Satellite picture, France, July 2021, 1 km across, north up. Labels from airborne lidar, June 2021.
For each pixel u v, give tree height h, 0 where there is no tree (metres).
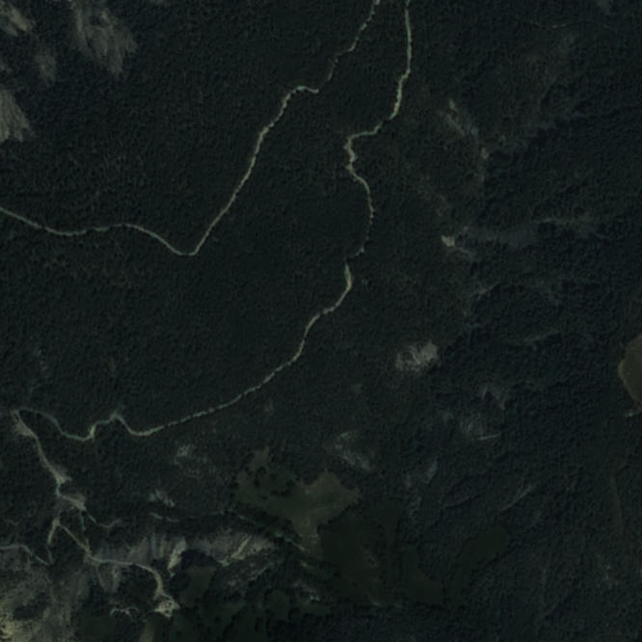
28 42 12
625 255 13
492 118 13
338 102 14
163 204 12
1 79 8
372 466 6
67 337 10
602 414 14
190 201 6
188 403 10
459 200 7
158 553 0
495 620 15
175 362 11
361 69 15
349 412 6
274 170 13
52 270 17
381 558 7
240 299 11
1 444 13
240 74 11
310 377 11
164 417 8
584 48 10
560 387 13
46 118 14
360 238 13
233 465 9
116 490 11
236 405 9
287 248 8
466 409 7
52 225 17
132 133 11
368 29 9
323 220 13
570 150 11
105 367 10
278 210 11
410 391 9
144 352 11
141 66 10
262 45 10
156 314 12
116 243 16
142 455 8
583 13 12
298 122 11
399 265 9
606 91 17
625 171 12
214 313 10
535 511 9
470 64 14
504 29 16
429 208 12
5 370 10
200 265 9
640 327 8
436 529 10
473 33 14
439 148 9
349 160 10
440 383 9
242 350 13
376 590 0
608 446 11
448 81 18
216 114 12
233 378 10
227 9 15
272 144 11
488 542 0
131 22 11
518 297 12
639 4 18
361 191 14
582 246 7
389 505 0
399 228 7
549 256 10
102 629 0
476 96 16
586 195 9
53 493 11
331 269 8
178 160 11
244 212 10
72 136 14
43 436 10
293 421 6
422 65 11
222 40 12
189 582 9
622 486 9
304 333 9
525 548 7
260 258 13
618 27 8
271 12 14
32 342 8
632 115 14
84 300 12
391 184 9
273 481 7
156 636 0
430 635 10
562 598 14
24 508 12
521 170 11
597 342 7
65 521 12
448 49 11
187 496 9
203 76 8
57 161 6
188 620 9
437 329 11
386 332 11
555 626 8
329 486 0
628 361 0
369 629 14
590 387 12
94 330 8
